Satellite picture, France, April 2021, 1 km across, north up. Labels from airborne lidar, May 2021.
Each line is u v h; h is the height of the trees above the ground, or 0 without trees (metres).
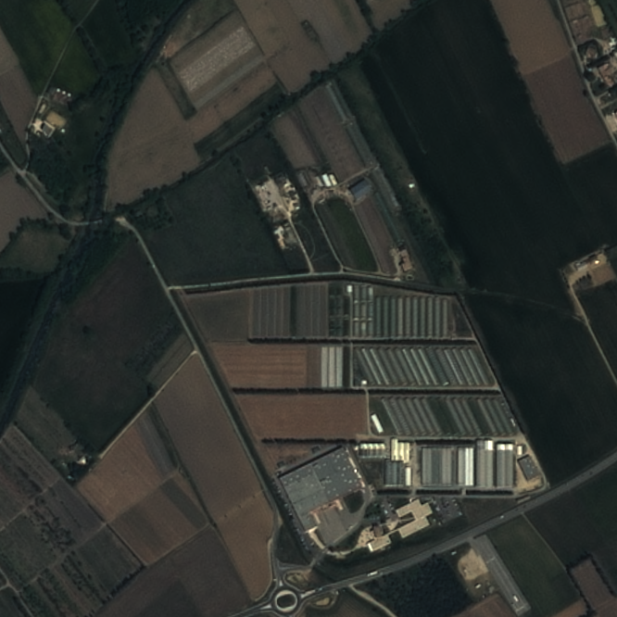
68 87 0
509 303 0
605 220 0
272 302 0
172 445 0
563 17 0
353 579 0
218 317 0
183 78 0
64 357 0
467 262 0
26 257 0
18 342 0
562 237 0
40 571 6
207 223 0
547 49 0
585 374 0
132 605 0
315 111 0
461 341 7
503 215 0
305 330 0
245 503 0
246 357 0
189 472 0
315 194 0
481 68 0
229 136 0
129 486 0
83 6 0
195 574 0
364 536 0
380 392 11
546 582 0
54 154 14
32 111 0
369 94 0
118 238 14
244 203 0
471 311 0
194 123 0
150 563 0
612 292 0
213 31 0
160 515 0
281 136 0
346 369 0
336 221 0
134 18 12
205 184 0
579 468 0
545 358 0
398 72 0
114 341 0
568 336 0
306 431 0
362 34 0
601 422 0
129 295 0
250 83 0
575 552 0
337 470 0
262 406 0
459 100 0
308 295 0
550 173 0
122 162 0
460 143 0
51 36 0
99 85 8
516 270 0
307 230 0
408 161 0
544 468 0
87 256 10
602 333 0
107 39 0
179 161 0
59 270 8
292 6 0
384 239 0
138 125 0
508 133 0
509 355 0
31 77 0
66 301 11
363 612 0
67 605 10
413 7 12
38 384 0
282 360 0
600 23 0
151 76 0
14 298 0
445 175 0
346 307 0
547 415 0
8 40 0
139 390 0
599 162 0
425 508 0
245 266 0
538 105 0
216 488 0
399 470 0
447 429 0
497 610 0
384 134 0
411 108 0
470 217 0
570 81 0
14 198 0
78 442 6
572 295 0
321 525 0
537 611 0
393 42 0
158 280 0
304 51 0
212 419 0
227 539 0
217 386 0
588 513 0
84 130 0
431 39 0
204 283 0
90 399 0
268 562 0
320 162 0
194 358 0
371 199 0
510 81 0
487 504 0
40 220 10
